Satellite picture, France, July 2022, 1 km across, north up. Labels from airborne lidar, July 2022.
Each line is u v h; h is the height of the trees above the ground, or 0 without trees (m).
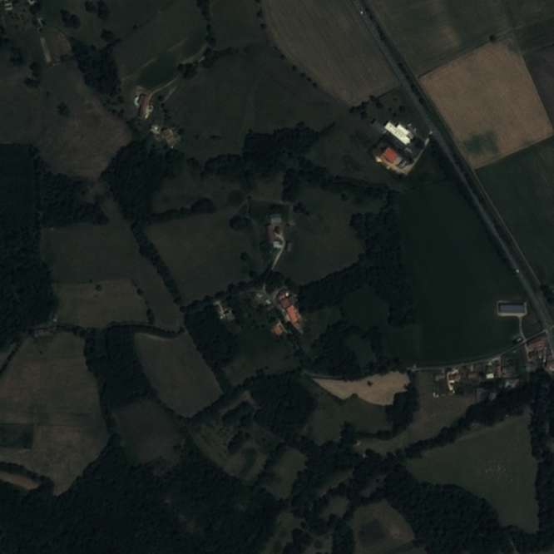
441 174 0
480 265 0
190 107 0
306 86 0
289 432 14
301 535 23
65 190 20
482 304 0
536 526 0
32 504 19
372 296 0
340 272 7
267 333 0
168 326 0
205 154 0
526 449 0
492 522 22
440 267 0
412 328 0
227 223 0
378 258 23
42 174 18
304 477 20
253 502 6
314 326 0
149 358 0
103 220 15
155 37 0
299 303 8
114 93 11
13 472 19
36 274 26
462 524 18
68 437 0
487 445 0
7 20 0
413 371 9
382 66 0
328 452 25
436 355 0
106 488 13
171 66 0
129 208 14
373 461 16
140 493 18
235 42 0
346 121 0
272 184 0
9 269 29
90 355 21
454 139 0
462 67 0
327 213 0
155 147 10
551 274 0
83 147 0
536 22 0
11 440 0
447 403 0
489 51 0
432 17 0
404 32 0
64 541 24
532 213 0
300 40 0
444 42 0
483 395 0
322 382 0
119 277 0
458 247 0
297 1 0
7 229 6
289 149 7
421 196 0
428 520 25
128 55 0
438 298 0
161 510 7
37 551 17
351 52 0
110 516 16
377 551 0
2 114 0
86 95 0
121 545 24
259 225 0
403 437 0
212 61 8
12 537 13
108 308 0
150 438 0
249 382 16
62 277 0
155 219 11
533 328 0
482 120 0
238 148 0
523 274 0
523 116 0
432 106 0
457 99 0
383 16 0
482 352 0
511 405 18
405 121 0
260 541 26
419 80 0
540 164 0
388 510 0
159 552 21
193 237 0
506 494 0
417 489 23
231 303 15
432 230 0
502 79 0
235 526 9
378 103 7
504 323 0
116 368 14
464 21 0
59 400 0
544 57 0
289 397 17
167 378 0
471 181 14
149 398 12
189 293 0
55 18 0
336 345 16
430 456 0
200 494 14
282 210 12
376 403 0
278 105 0
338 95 0
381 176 0
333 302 14
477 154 0
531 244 0
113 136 0
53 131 0
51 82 0
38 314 9
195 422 15
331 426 0
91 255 0
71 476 0
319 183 10
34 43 0
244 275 0
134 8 0
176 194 0
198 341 14
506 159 0
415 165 0
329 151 0
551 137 0
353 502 16
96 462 6
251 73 0
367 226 18
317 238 0
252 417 9
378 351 21
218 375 13
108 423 12
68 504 17
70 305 0
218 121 0
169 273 17
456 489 20
